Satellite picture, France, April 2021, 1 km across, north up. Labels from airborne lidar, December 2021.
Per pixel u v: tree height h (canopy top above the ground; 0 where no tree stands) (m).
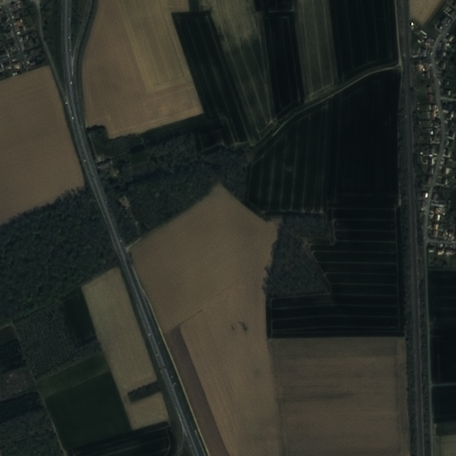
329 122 0
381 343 0
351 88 0
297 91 0
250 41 0
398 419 0
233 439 0
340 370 0
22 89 0
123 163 9
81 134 0
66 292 17
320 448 0
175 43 0
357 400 0
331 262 0
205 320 0
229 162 24
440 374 0
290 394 0
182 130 0
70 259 25
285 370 0
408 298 12
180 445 0
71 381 0
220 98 0
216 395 0
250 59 0
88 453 0
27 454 21
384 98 0
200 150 0
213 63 0
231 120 0
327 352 0
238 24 0
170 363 0
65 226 27
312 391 0
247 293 0
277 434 0
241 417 0
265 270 0
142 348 0
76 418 0
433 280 0
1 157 0
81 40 0
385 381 0
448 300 0
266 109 0
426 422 13
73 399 0
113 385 0
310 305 0
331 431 0
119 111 0
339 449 0
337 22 0
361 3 0
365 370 0
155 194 26
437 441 0
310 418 0
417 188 14
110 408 0
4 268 26
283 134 0
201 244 0
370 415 0
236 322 0
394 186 0
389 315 0
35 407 9
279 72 0
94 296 0
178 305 0
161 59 0
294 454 0
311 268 27
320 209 0
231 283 0
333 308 0
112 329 0
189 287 0
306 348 0
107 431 0
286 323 0
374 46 0
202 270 0
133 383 0
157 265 0
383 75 0
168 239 0
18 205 0
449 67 0
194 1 0
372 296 0
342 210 0
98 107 0
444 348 0
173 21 0
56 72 0
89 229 32
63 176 0
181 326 0
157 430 0
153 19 0
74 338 0
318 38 0
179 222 0
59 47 0
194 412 0
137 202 25
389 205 0
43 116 0
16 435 26
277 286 24
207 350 0
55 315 19
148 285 0
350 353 0
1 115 0
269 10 0
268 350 0
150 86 0
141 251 0
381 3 0
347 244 0
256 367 0
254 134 0
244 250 0
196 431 0
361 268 0
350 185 0
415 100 16
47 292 23
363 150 0
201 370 0
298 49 0
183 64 0
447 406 0
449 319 0
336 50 0
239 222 0
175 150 32
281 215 0
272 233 0
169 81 0
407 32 0
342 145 0
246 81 0
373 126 0
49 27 0
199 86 0
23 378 0
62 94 0
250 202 0
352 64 0
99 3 0
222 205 0
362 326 0
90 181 0
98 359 0
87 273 25
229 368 0
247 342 0
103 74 0
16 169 0
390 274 0
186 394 0
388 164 0
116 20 0
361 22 0
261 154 0
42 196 0
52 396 0
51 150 0
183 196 28
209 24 0
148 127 0
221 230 0
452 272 0
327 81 0
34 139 0
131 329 0
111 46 0
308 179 0
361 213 0
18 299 27
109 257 26
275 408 0
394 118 0
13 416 9
